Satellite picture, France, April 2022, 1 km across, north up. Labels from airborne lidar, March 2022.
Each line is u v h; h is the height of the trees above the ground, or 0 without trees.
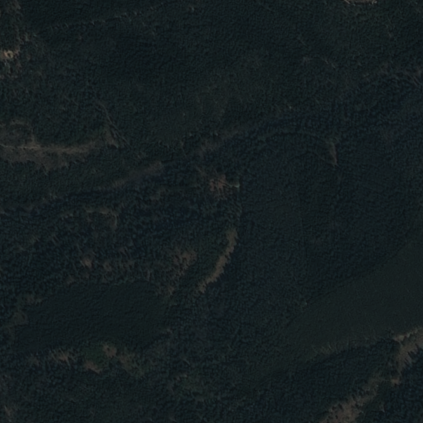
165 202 11
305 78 24
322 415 15
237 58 21
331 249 27
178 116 18
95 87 26
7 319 27
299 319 14
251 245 24
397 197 18
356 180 17
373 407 15
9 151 0
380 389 8
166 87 18
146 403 25
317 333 18
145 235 22
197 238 24
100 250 10
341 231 24
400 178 17
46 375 25
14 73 23
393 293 18
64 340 8
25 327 8
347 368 15
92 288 8
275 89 18
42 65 27
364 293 15
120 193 18
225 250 28
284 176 18
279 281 19
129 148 32
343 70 26
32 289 27
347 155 21
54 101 26
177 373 28
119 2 20
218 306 26
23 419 20
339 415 29
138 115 15
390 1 27
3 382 26
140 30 21
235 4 28
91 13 24
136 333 11
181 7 25
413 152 23
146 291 10
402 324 19
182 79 20
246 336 14
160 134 19
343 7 19
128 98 21
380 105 19
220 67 19
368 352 19
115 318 12
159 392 28
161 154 21
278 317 21
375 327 19
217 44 20
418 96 27
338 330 18
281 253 19
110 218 8
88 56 22
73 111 25
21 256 6
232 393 21
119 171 16
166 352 24
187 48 22
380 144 20
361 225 20
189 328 29
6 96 25
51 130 22
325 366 18
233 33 26
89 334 9
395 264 17
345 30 15
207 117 22
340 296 14
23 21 26
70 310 10
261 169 18
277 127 18
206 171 9
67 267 18
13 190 18
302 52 26
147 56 23
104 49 22
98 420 21
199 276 29
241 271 22
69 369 25
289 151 16
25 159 0
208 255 25
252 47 31
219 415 29
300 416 20
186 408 26
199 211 27
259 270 20
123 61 23
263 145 18
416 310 18
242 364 21
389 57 22
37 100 25
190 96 21
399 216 19
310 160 18
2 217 0
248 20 26
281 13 25
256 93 20
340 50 20
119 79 22
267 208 17
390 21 20
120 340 15
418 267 17
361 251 19
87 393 22
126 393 25
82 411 15
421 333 14
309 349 19
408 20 23
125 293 9
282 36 31
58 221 31
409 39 28
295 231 17
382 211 15
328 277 23
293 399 19
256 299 25
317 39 22
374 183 17
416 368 11
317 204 19
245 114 22
